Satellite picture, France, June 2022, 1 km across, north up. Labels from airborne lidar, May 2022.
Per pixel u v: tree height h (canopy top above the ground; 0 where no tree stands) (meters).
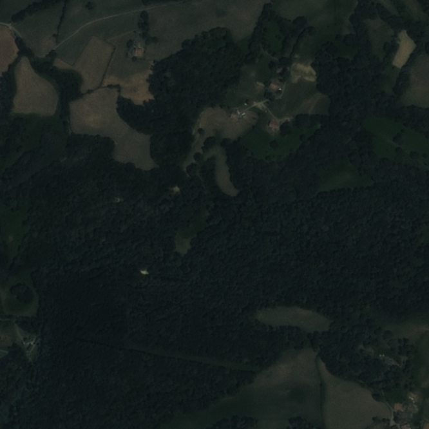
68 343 26
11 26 0
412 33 15
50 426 16
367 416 0
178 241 0
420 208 28
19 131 20
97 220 16
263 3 0
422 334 0
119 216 16
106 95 0
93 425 17
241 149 14
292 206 24
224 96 20
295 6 0
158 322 23
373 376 21
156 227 22
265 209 23
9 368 23
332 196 18
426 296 14
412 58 14
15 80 0
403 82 18
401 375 11
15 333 0
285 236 29
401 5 10
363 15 19
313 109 0
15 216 0
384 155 0
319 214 32
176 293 25
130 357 18
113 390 19
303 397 0
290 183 21
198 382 18
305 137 14
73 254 32
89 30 0
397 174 22
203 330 17
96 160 13
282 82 7
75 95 12
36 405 22
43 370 22
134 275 24
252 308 21
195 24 0
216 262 24
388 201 20
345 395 0
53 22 0
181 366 14
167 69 19
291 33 20
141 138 0
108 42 0
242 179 25
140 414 20
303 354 0
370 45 20
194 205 27
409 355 14
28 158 13
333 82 31
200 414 0
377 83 15
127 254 20
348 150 27
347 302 19
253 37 14
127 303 21
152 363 10
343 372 13
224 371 19
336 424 0
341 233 23
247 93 0
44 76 0
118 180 11
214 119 0
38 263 13
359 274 9
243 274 22
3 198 8
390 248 13
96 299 24
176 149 20
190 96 22
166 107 23
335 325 12
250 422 19
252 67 0
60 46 0
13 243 0
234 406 0
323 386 6
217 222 19
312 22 0
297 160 20
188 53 14
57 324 32
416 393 0
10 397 13
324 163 23
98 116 0
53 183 9
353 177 0
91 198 13
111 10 0
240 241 19
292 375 0
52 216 17
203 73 20
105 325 15
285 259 15
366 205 20
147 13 13
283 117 0
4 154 17
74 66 0
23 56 6
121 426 24
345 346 17
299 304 14
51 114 0
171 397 16
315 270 11
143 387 8
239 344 16
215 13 0
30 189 9
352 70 21
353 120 28
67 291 32
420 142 0
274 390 0
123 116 19
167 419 27
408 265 18
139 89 0
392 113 26
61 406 17
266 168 14
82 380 19
